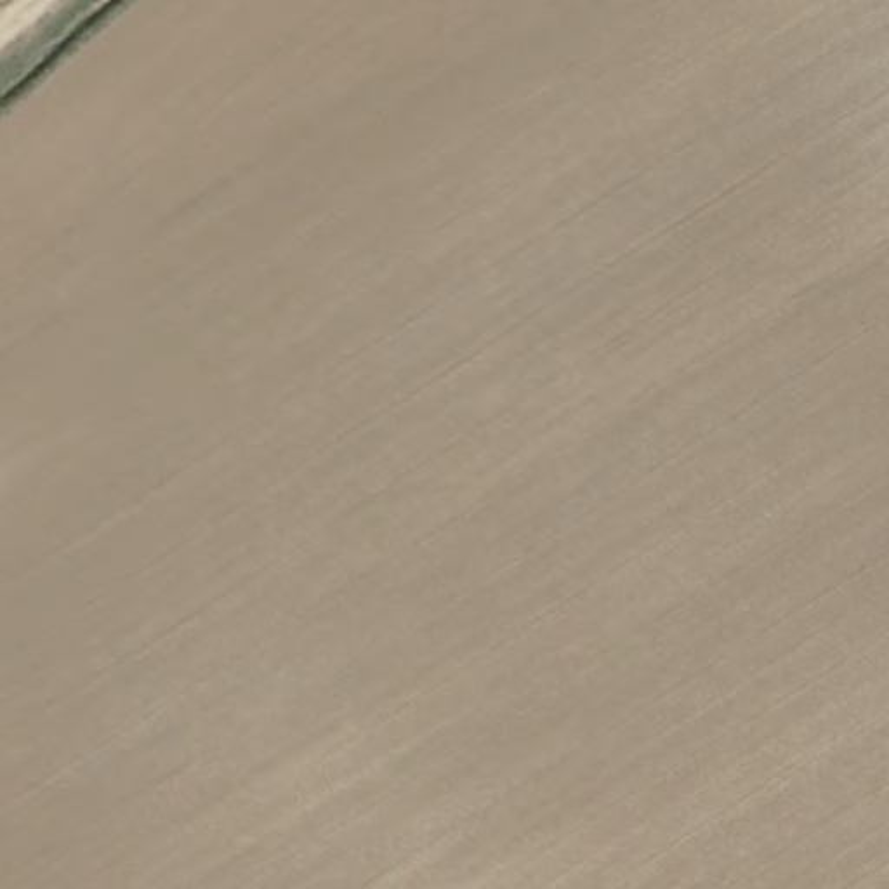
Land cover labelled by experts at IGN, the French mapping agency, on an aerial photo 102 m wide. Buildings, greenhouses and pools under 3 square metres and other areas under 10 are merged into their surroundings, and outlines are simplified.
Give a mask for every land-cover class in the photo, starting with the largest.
<instances>
[{"label":"plowed land","instance_id":"1","mask_svg":"<svg viewBox=\"0 0 889 889\"><path fill-rule=\"evenodd\" d=\"M0 889H889V0H128L111 21H104L87 42H80L52 73H45L17 104H10L0 115Z\"/></svg>","mask_w":889,"mask_h":889},{"label":"herbaceous vegetation","instance_id":"2","mask_svg":"<svg viewBox=\"0 0 889 889\"><path fill-rule=\"evenodd\" d=\"M128 0H63L52 14H45L31 31L17 35L0 52V115L10 104H17L45 73H52L80 42H87L104 21H111Z\"/></svg>","mask_w":889,"mask_h":889},{"label":"pervious surface","instance_id":"3","mask_svg":"<svg viewBox=\"0 0 889 889\"><path fill-rule=\"evenodd\" d=\"M63 0H0V52L17 35L31 31L45 14H52Z\"/></svg>","mask_w":889,"mask_h":889}]
</instances>
